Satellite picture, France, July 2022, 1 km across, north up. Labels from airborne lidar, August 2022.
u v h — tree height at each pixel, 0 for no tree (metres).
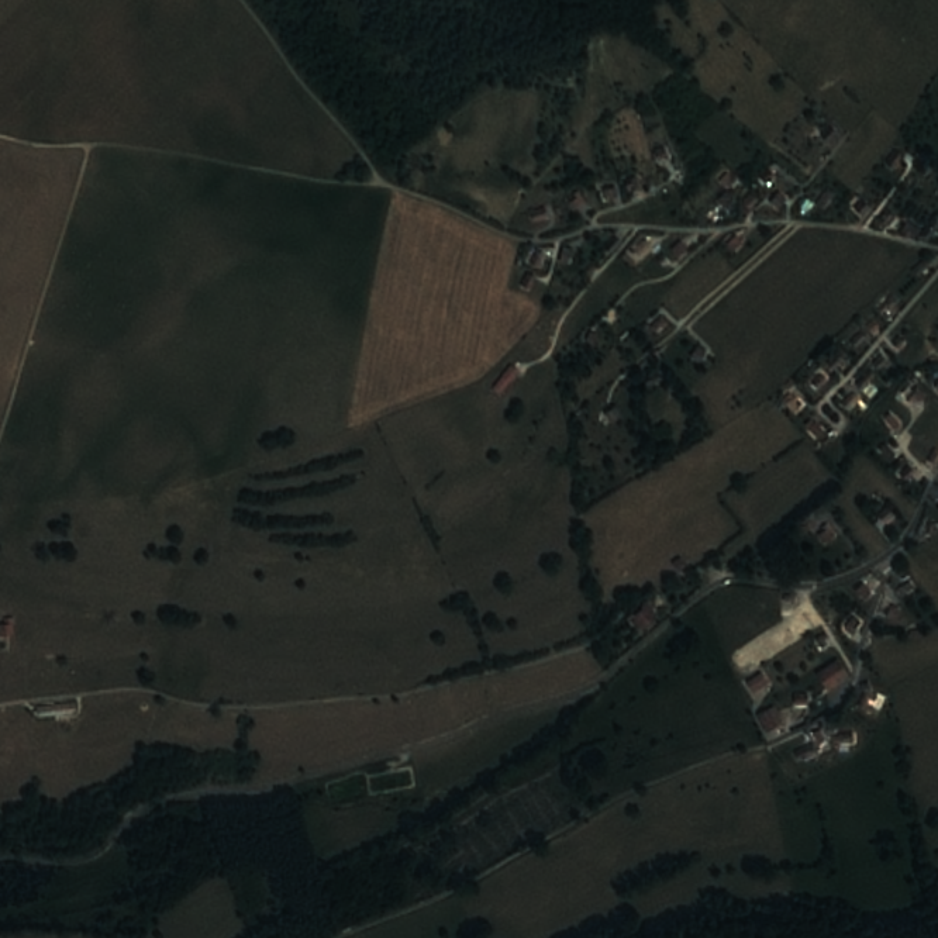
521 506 0
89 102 0
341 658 0
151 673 9
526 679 0
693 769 0
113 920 10
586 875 0
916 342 0
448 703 0
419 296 0
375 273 0
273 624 0
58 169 0
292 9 6
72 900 0
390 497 0
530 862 0
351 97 6
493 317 0
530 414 0
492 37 11
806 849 0
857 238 0
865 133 0
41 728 0
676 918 18
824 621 0
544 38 20
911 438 0
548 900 0
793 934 34
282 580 0
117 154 0
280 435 10
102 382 0
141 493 0
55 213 0
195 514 0
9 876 6
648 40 8
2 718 0
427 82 9
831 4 0
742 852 0
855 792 0
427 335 0
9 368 0
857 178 0
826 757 0
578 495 13
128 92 0
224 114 0
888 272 0
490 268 0
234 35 0
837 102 0
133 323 0
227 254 0
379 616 0
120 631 0
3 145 0
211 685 0
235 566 0
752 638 0
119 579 0
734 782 0
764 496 0
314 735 0
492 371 0
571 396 10
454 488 0
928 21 0
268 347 0
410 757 0
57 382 0
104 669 0
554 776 0
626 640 6
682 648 21
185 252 0
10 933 9
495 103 0
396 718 0
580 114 0
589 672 0
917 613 6
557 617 0
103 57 0
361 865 8
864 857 0
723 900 21
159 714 0
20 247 0
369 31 11
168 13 0
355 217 0
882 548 0
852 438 14
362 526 0
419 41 7
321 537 7
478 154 0
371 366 0
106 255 0
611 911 0
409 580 0
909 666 0
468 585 0
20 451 0
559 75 7
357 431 0
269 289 0
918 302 0
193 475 0
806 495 0
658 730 0
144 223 0
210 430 0
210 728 0
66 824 16
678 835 0
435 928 0
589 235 12
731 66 0
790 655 0
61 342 0
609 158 6
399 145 11
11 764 0
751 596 0
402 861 17
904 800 17
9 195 0
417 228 0
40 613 0
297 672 0
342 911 6
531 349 0
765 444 0
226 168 0
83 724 0
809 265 0
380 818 0
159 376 0
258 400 0
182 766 13
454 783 0
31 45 0
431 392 0
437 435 0
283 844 21
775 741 0
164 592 0
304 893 19
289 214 0
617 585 0
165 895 13
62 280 0
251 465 0
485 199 0
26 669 0
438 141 0
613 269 0
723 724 0
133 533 0
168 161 0
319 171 0
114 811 16
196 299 0
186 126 0
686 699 0
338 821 0
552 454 5
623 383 8
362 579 0
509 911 0
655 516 0
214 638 0
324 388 0
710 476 0
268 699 0
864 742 0
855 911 12
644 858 0
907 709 0
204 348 0
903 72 0
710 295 0
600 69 0
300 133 0
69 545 13
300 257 0
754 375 0
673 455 8
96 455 0
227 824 20
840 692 0
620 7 18
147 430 0
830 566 17
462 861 0
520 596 0
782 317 0
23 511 0
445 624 0
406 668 0
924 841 15
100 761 0
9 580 0
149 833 20
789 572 29
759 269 0
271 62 0
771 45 0
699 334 0
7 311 0
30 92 0
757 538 0
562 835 0
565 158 13
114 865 0
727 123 0
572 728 22
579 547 16
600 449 6
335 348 0
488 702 0
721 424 0
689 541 0
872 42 0
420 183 0
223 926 0
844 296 0
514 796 0
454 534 0
